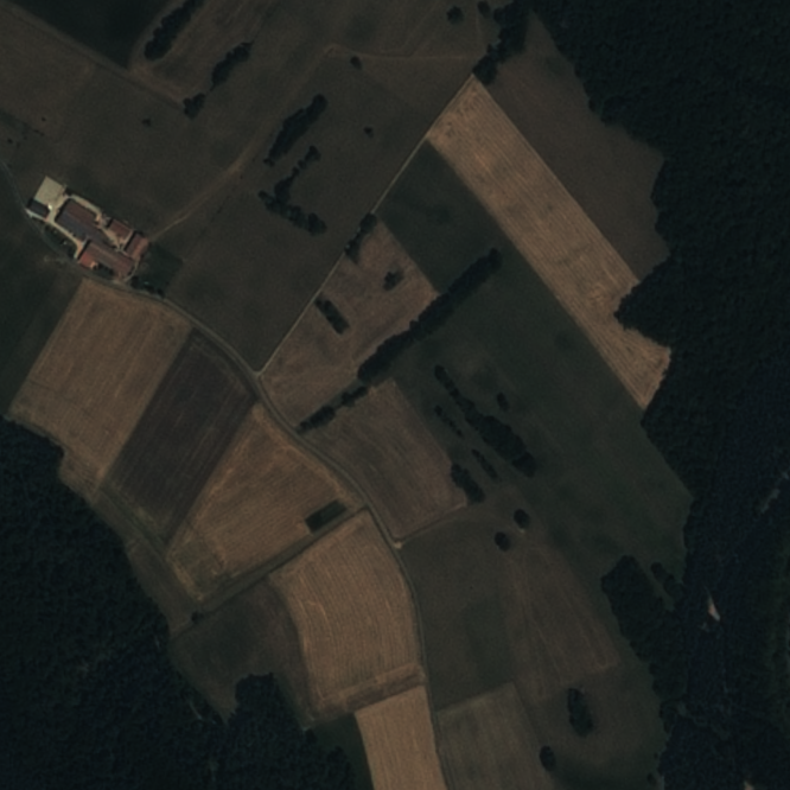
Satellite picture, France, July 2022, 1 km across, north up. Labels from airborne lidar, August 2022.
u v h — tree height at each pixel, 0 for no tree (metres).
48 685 28
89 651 30
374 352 0
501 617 0
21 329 0
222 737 21
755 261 15
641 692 0
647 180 0
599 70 21
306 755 22
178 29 12
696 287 21
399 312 0
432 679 0
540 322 0
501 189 0
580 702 15
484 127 0
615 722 0
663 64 23
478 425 12
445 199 0
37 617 22
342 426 0
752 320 14
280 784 28
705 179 17
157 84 0
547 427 0
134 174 0
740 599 21
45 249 0
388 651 0
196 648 0
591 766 0
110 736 27
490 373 0
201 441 0
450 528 0
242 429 0
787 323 14
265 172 0
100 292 0
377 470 0
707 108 21
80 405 0
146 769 17
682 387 17
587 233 0
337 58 0
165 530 0
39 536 31
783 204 13
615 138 0
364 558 0
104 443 0
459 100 0
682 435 19
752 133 20
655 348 0
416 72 0
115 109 0
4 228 0
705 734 21
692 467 16
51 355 0
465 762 0
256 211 0
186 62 0
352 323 0
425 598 0
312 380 0
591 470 0
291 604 0
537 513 0
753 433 22
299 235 0
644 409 0
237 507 0
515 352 0
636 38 16
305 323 0
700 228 23
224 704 0
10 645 22
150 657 27
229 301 0
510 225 0
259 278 0
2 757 26
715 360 21
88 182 0
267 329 0
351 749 0
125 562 22
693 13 18
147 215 0
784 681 16
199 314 0
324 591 0
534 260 0
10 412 0
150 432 0
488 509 0
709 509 19
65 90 0
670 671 23
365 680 0
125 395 0
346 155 0
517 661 0
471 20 0
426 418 0
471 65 0
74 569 27
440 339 0
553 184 0
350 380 0
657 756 7
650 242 0
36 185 0
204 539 0
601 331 0
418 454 0
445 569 0
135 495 0
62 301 0
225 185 0
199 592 0
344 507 0
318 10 0
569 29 20
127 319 0
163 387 0
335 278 0
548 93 0
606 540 0
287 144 13
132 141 0
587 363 0
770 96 14
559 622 0
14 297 0
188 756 27
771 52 20
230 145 0
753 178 15
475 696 0
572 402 0
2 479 29
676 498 0
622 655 0
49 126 0
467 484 15
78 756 18
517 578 0
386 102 0
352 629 0
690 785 28
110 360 0
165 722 26
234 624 0
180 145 0
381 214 0
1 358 0
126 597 24
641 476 0
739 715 13
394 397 0
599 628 0
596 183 0
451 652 0
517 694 0
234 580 0
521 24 19
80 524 15
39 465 28
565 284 0
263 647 0
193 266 0
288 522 0
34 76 0
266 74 0
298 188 0
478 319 0
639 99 22
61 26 0
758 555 19
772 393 22
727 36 22
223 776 19
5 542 25
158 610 15
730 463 23
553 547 0
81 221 0
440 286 0
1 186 0
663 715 9
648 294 18
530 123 0
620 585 24
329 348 0
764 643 14
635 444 0
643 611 17
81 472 0
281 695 21
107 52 0
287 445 0
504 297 0
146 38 0
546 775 0
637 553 0
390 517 0
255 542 0
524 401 0
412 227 0
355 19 0
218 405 0
